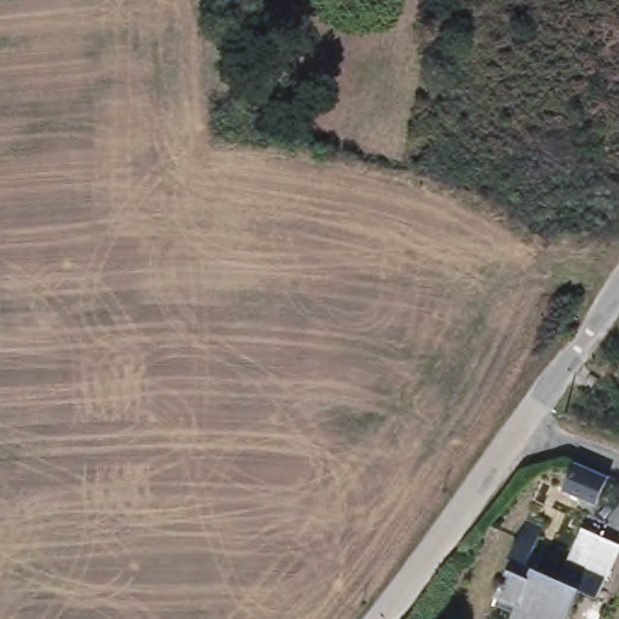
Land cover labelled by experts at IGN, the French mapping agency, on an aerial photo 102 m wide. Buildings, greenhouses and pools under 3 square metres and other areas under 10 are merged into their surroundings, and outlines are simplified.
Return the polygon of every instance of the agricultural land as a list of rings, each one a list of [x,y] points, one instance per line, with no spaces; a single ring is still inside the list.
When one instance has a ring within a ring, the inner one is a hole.
[[[210,133],[208,99],[213,94],[225,94],[227,89],[227,82],[220,77],[215,68],[220,56],[218,46],[203,39],[198,31],[201,0],[0,0],[0,619],[363,619],[389,588],[389,583],[397,578],[397,573],[404,568],[404,563],[411,559],[411,554],[418,549],[423,537],[435,525],[435,520],[442,515],[452,496],[459,491],[469,472],[476,467],[476,462],[484,457],[493,438],[498,435],[498,430],[513,416],[522,397],[530,392],[532,382],[544,372],[544,368],[556,355],[551,351],[532,351],[542,317],[549,310],[551,290],[556,290],[563,283],[583,285],[583,307],[588,310],[600,288],[604,285],[604,280],[609,278],[609,273],[614,271],[614,266],[619,264],[619,237],[592,239],[590,232],[573,232],[551,242],[537,235],[530,244],[525,244],[513,232],[498,225],[498,215],[493,210],[474,213],[464,208],[457,198],[450,196],[450,191],[442,184],[433,181],[430,177],[418,177],[413,172],[387,172],[370,164],[360,164],[355,160],[326,162],[312,160],[310,150],[285,152],[280,147],[273,147],[230,145]]]

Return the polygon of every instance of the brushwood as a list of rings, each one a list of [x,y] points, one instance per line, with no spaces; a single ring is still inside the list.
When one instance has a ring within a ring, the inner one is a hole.
[[[474,15],[469,10],[455,10],[452,0],[421,0],[418,12],[433,12],[440,19],[440,31],[435,41],[423,46],[418,53],[423,65],[438,68],[447,65],[450,60],[464,63],[472,58],[472,46],[467,36],[474,36]]]
[[[542,317],[532,351],[551,351],[556,355],[568,341],[573,341],[588,310],[583,307],[583,285],[563,283],[556,290],[551,290],[549,310]]]
[[[474,559],[481,554],[486,534],[476,532],[472,525],[462,534],[457,546],[440,561],[433,578],[418,592],[413,604],[401,614],[401,619],[435,619],[455,595],[455,590],[472,588]]]
[[[225,39],[227,29],[239,27],[249,12],[264,7],[264,0],[201,0],[198,31],[203,39],[218,46]]]

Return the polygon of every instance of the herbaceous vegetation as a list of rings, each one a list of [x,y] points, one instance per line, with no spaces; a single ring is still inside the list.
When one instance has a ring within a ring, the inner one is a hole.
[[[230,145],[273,147],[276,143],[268,135],[254,131],[254,106],[247,106],[235,97],[235,92],[227,89],[225,94],[213,94],[208,99],[210,133]]]
[[[544,469],[568,472],[568,459],[563,457],[520,472],[513,469],[472,525],[476,532],[486,534],[488,527],[503,525],[505,515],[515,508],[522,488],[534,479]]]
[[[619,317],[609,334],[588,358],[588,372],[595,384],[571,384],[556,404],[563,413],[578,418],[575,426],[580,433],[619,442]]]
[[[530,244],[537,235],[551,242],[573,232],[590,232],[592,239],[619,237],[619,0],[452,0],[455,10],[469,10],[474,15],[474,36],[467,36],[472,46],[472,58],[464,63],[450,60],[447,65],[438,68],[423,65],[418,53],[423,46],[435,41],[440,31],[440,19],[433,12],[418,12],[421,0],[404,0],[397,24],[387,31],[355,34],[341,39],[334,31],[324,34],[322,44],[317,44],[312,53],[300,58],[295,70],[285,80],[280,80],[271,92],[276,102],[293,102],[302,82],[312,82],[314,75],[336,77],[339,102],[331,111],[317,116],[317,126],[322,131],[336,133],[334,143],[326,145],[326,162],[355,160],[360,164],[370,164],[387,172],[413,172],[418,177],[430,177],[433,181],[442,184],[450,191],[450,196],[457,198],[464,208],[474,213],[493,210],[498,215],[498,225],[513,232],[525,244]]]
[[[597,619],[619,619],[619,588],[602,604]]]

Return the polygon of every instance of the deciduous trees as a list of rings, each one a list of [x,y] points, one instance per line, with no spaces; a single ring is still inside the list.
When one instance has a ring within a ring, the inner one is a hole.
[[[235,97],[247,106],[254,106],[254,131],[268,135],[276,143],[273,147],[280,147],[285,152],[310,150],[312,160],[326,162],[326,145],[334,143],[336,133],[322,131],[317,126],[317,116],[331,111],[339,102],[336,77],[314,75],[312,82],[302,82],[293,102],[276,102],[271,92],[280,80],[285,80],[295,70],[300,58],[312,53],[317,44],[322,44],[324,34],[334,31],[341,39],[355,34],[387,31],[397,24],[404,0],[264,0],[264,7],[249,12],[239,27],[227,29],[225,39],[218,46],[220,56],[215,68],[220,77],[227,82],[227,89],[235,92]]]

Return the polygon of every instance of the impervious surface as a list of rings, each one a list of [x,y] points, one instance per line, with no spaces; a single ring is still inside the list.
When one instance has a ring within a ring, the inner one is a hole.
[[[435,520],[435,525],[423,537],[418,549],[411,554],[411,559],[404,563],[404,568],[397,573],[397,578],[389,583],[389,588],[363,619],[401,619],[401,614],[413,604],[418,592],[433,578],[440,561],[457,546],[462,534],[472,525],[513,469],[520,472],[563,457],[568,459],[568,472],[544,469],[534,479],[539,486],[534,503],[530,503],[527,520],[542,527],[546,532],[546,539],[559,537],[568,546],[573,546],[580,530],[588,530],[619,544],[619,442],[580,433],[575,426],[578,418],[563,413],[556,404],[571,384],[595,384],[588,372],[588,358],[609,334],[619,317],[619,264],[614,266],[614,271],[609,273],[609,278],[604,280],[604,285],[600,288],[588,310],[573,341],[568,341],[556,355],[544,368],[544,372],[532,382],[530,392],[522,397],[513,416],[498,430],[498,435],[493,438],[484,457],[476,462],[476,467],[469,472],[459,491],[452,496],[442,515]],[[580,486],[597,488],[600,496],[580,498],[575,493],[568,493],[563,488],[566,476]]]
[[[578,592],[573,595],[566,619],[597,619],[602,604],[619,588],[619,556],[612,566],[612,575],[604,575],[600,580],[600,588],[592,597]]]

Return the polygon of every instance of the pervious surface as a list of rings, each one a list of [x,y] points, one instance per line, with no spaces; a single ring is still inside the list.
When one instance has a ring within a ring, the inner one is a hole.
[[[455,590],[455,595],[435,619],[488,619],[488,614],[496,609],[491,604],[491,597],[496,588],[501,588],[493,580],[493,575],[508,566],[515,530],[527,520],[530,503],[534,503],[539,486],[534,479],[522,488],[515,508],[505,515],[503,525],[488,527],[486,534],[481,554],[474,559],[472,588]]]

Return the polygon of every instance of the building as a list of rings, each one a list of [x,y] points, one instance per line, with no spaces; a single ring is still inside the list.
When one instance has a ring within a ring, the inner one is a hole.
[[[612,566],[619,556],[619,544],[588,530],[580,530],[573,546],[568,546],[559,537],[546,539],[546,532],[542,527],[527,520],[515,530],[508,566],[493,575],[493,580],[501,588],[496,588],[491,597],[491,604],[496,609],[488,614],[488,619],[566,619],[573,595],[578,592],[592,597],[600,588],[600,580],[604,575],[612,575]]]
[[[600,496],[597,488],[580,486],[566,476],[563,488],[568,493],[575,493],[580,498]]]

